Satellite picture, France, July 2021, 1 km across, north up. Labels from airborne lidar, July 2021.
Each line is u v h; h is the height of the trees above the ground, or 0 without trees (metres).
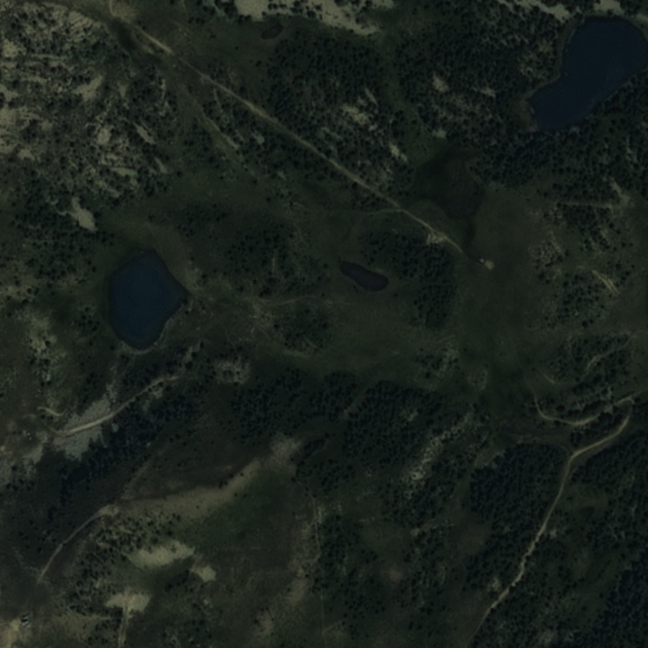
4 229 0
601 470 10
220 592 0
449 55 17
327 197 0
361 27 0
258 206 0
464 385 0
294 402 11
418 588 8
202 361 0
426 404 11
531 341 0
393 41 0
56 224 12
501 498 10
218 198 0
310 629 0
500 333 0
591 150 13
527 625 14
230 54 0
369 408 8
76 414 0
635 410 11
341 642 0
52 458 0
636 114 9
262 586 0
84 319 12
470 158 0
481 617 0
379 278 0
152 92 10
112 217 0
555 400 12
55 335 0
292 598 0
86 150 0
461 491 0
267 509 0
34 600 0
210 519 0
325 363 0
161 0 0
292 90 9
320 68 15
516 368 0
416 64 9
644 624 12
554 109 0
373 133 8
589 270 0
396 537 0
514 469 6
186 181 0
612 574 0
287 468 0
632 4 14
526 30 11
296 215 0
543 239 0
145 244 0
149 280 0
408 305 0
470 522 0
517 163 15
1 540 0
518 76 14
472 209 0
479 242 0
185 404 12
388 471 0
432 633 10
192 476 0
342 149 14
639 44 0
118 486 0
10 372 0
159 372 8
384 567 0
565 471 0
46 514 0
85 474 10
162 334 0
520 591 10
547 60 13
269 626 0
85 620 0
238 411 11
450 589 0
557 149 11
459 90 15
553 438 0
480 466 0
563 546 10
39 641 0
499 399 0
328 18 0
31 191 6
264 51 0
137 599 0
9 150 0
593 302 7
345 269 0
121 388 0
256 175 0
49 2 0
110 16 0
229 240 0
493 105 21
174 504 0
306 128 11
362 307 0
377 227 0
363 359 0
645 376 0
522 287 0
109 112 0
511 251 0
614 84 0
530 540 12
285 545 0
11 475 0
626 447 13
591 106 0
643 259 0
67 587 0
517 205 0
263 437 7
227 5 10
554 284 0
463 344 0
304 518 0
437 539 9
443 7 13
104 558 11
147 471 0
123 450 12
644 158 12
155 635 0
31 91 0
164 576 0
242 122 13
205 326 0
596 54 0
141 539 9
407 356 0
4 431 0
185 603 0
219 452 0
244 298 0
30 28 0
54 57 0
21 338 0
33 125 9
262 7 0
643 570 16
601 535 11
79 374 0
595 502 0
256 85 0
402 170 15
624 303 0
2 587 0
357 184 13
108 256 0
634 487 6
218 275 0
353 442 9
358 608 7
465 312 0
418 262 14
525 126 0
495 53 15
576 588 11
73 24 0
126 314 0
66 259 6
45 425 0
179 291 0
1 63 0
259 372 0
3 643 0
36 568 0
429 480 11
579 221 8
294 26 0
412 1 0
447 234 0
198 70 0
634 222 0
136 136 12
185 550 0
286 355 0
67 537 0
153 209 0
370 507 0
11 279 0
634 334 0
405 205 0
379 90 17
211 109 9
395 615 0
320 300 0
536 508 16
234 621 0
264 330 0
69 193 12
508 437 0
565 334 0
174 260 0
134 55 0
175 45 0
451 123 8
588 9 7
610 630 11
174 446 0
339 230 0
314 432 0
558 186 11
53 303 0
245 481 0
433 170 0
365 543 0
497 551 12
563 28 9
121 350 0
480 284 0
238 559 0
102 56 0
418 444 8
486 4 15
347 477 10
